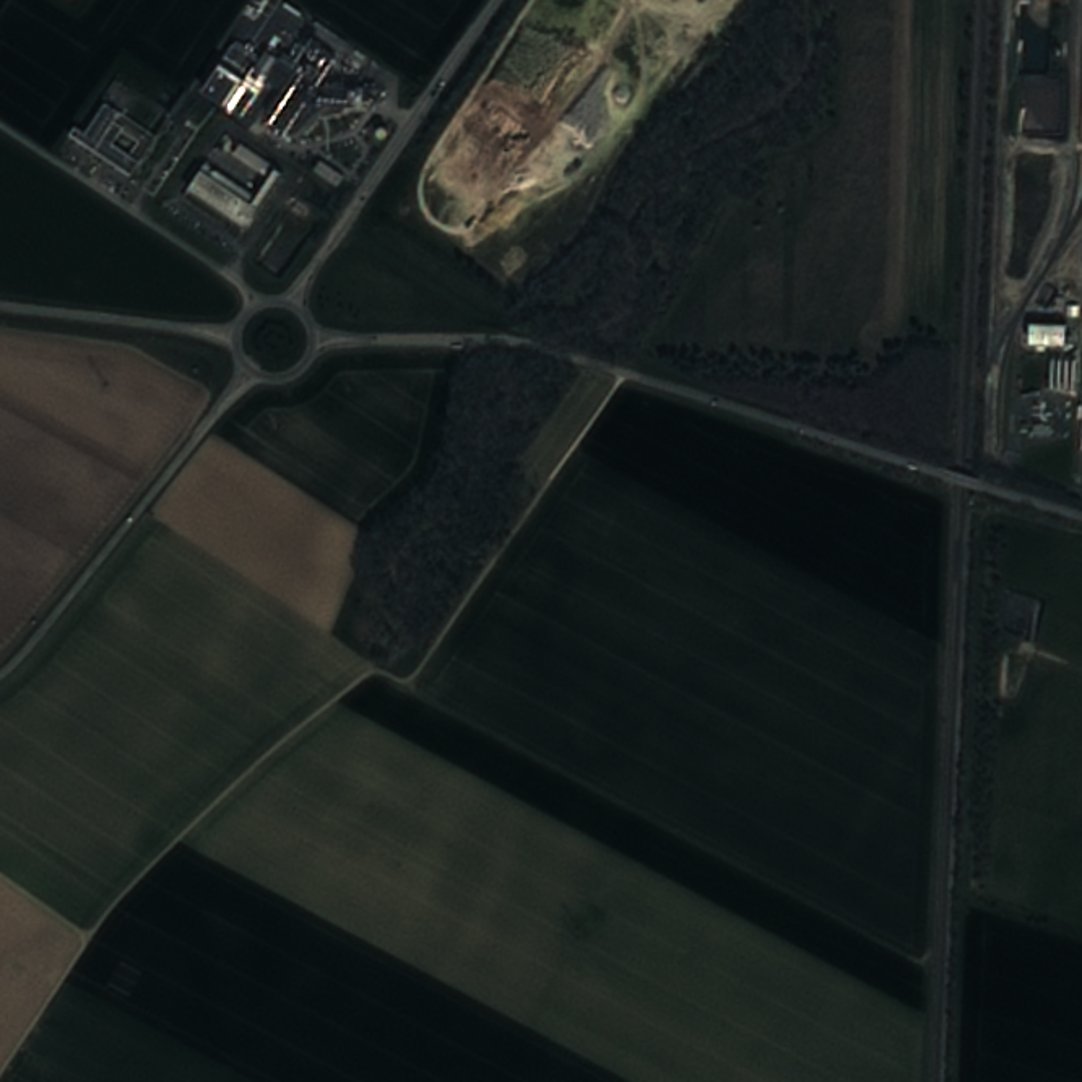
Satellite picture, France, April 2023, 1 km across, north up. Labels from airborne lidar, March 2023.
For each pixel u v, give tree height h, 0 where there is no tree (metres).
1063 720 0
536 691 0
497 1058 0
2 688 0
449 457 17
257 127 0
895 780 0
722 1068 0
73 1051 0
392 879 0
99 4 0
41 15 0
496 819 0
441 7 0
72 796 0
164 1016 0
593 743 0
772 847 0
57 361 0
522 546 0
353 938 0
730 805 0
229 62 0
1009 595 0
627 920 0
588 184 0
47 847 0
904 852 0
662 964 0
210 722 0
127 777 0
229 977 0
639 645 0
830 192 0
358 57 0
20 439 0
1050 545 0
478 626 0
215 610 0
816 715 0
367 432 0
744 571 0
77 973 0
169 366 0
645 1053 0
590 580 0
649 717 0
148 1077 0
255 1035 0
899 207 0
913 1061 0
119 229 0
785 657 0
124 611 0
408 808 0
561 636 0
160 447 0
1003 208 0
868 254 0
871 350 0
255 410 0
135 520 0
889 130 0
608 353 24
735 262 0
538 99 0
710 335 0
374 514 0
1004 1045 0
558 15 0
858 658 0
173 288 0
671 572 0
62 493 0
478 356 20
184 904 0
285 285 0
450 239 0
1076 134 0
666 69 0
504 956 0
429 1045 0
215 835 0
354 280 0
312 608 0
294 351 0
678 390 0
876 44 0
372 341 0
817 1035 0
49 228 0
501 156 0
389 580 25
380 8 0
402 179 0
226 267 0
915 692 0
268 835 0
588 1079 0
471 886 0
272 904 0
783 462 0
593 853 0
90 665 0
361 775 0
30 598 0
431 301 0
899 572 0
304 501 0
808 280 0
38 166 0
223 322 0
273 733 0
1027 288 0
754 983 0
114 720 0
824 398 13
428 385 0
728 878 0
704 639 0
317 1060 0
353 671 0
